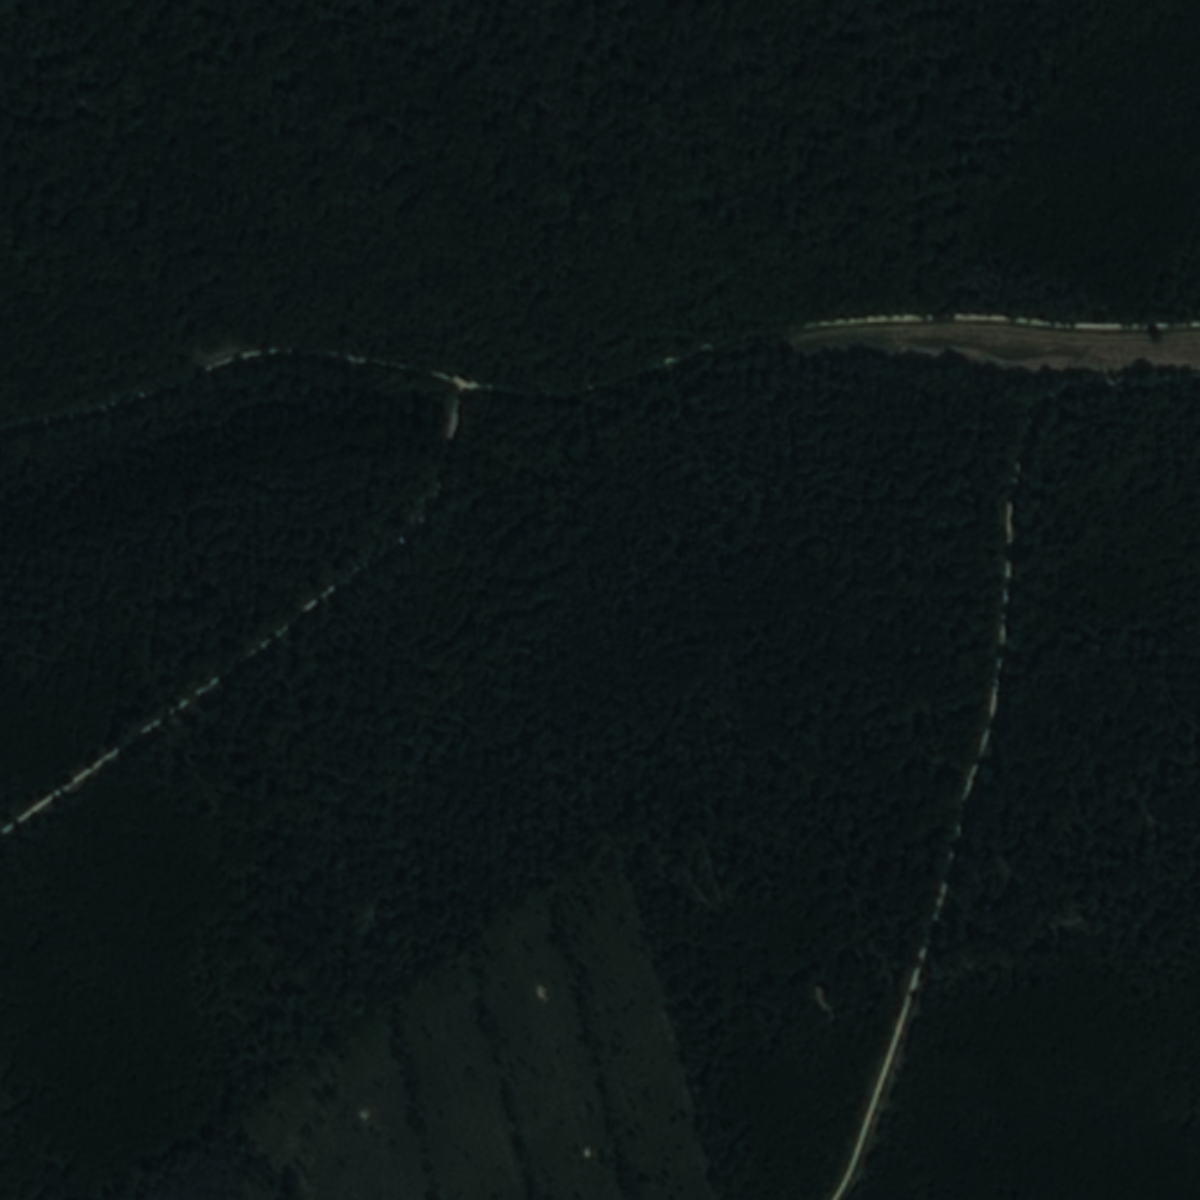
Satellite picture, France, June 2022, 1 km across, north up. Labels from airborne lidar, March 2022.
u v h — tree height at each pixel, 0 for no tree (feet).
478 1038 0
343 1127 0
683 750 79
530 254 53
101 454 58
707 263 53
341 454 66
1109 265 57
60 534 72
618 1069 0
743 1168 76
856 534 70
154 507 68
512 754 71
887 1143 24
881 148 65
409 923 84
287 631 0
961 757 77
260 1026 61
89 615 73
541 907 0
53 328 71
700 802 81
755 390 74
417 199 64
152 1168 70
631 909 0
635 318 67
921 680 73
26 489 101
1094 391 62
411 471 52
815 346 0
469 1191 0
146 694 68
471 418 38
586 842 72
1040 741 87
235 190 72
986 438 67
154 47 61
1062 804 87
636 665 69
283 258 69
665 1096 0
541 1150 0
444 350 57
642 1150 0
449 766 80
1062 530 48
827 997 89
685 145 67
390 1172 0
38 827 43
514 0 72
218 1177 58
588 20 74
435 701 64
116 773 66
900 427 51
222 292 76
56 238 82
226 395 76
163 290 76
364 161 67
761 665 70
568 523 66
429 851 75
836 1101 28
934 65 79
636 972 0
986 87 65
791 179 74
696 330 62
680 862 77
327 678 85
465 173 68
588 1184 0
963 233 58
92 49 70
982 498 75
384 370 29
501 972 0
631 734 75
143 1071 26
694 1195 0
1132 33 31
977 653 75
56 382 65
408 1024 0
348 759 73
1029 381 66
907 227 67
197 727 70
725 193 67
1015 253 47
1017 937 88
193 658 78
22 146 69
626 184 66
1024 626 62
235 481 71
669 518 64
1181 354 0
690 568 58
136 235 72
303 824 75
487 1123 0
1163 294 54
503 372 41
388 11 51
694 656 75
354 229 69
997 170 79
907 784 88
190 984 22
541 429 32
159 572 77
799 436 57
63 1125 22
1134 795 0
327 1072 0
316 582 74
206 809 60
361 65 68
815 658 80
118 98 72
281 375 46
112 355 68
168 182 70
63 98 73
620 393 53
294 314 62
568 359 69
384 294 63
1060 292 62
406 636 74
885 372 70
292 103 65
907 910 81
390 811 69
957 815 74
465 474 50
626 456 57
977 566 84
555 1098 0
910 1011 0
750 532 51
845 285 58
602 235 57
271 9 63
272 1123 0
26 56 81
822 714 74
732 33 74
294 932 70
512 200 67
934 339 0
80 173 65
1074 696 80
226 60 68
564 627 87
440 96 59
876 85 17
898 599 75
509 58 59
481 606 87
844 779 87
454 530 55
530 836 76
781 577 76
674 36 75
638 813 81
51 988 21
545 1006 0
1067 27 60
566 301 55
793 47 67
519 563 82
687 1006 83
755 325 57
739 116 58
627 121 38
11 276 65
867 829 81
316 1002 77
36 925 25
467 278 59
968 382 76
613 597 71
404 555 65
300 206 66
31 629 73
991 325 0
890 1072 0
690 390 76
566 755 70
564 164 56
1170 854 77
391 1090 0
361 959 65
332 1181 0
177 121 60
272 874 75
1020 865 85
